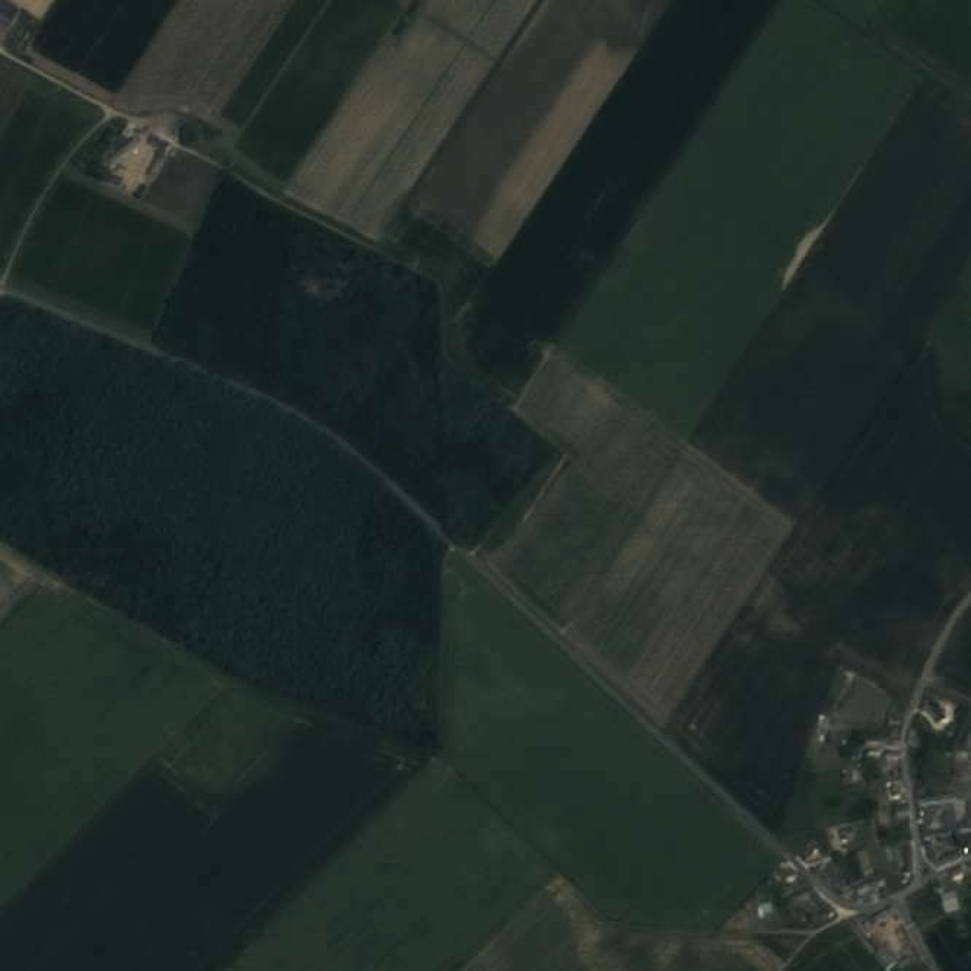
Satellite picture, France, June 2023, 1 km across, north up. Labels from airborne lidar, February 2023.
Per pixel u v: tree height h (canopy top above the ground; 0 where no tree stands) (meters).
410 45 0
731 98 0
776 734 0
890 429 0
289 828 0
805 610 0
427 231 0
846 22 0
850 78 0
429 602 9
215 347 17
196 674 0
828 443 0
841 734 0
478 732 0
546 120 0
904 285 0
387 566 17
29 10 0
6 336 18
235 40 0
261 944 0
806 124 0
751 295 0
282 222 9
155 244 0
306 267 19
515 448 15
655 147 0
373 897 0
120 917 0
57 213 0
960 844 8
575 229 0
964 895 0
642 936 0
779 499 0
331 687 12
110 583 12
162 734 0
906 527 0
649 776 0
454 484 17
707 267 0
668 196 0
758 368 0
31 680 0
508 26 0
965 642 0
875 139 0
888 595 0
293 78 0
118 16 0
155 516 21
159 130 0
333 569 15
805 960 0
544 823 0
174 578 13
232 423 21
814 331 0
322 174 0
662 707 0
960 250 0
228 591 17
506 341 0
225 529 21
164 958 0
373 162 0
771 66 0
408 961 0
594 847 0
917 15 0
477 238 0
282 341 20
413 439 15
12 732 0
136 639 0
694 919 0
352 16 0
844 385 0
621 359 0
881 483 0
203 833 0
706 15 0
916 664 0
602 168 0
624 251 0
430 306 8
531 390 0
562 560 0
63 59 0
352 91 0
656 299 0
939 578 0
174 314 12
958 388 0
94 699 0
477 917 0
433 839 0
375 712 19
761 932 0
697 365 0
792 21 0
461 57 0
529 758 0
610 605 0
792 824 0
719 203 0
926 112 0
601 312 0
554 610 0
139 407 21
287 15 0
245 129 0
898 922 0
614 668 0
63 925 0
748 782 0
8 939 0
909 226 0
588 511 0
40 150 0
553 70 0
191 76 0
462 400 17
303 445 19
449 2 0
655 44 0
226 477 20
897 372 0
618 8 0
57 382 14
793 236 0
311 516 19
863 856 0
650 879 0
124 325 0
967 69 0
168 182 0
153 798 0
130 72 0
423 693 19
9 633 0
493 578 0
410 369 16
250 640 18
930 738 8
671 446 0
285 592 19
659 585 0
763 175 0
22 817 0
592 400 0
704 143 0
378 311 15
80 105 0
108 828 0
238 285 15
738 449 0
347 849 0
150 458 20
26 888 0
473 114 0
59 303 0
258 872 0
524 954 0
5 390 19
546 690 0
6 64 0
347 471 19
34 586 0
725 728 0
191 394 21
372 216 0
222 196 11
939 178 0
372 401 10
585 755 0
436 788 0
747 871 0
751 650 0
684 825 0
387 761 0
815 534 0
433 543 14
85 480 19
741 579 0
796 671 0
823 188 0
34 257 0
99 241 0
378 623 8
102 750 0
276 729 0
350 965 0
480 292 0
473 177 0
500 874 0
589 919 0
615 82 0
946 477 0
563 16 0
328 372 20
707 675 0
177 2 0
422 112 0
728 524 0
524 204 0
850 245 0
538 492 0
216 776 0
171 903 0
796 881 0
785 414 0
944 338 0
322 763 0
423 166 0
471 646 0
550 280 0
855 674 0
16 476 10
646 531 0
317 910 0
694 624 0
